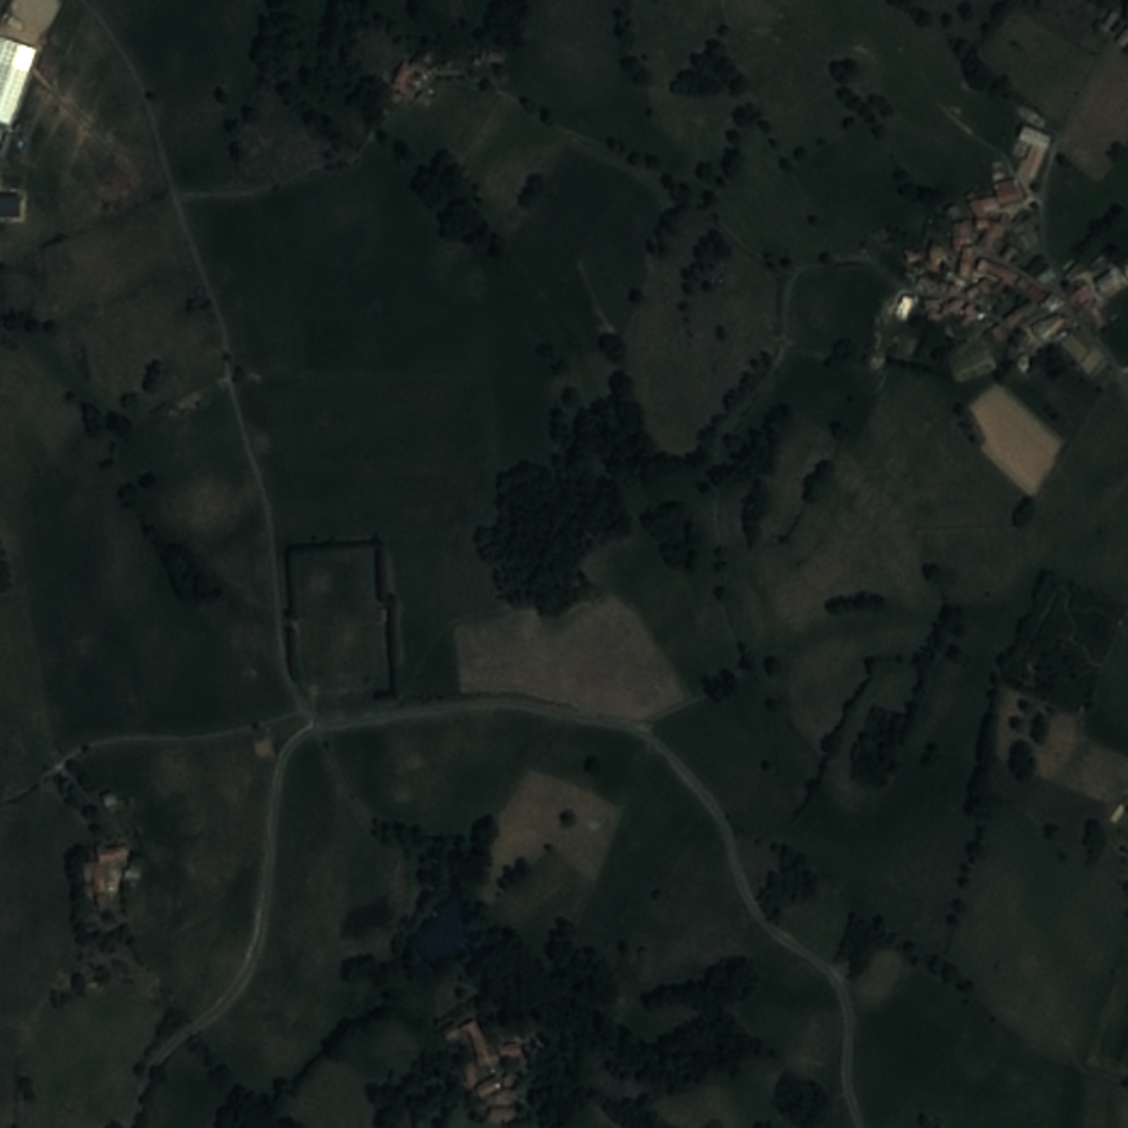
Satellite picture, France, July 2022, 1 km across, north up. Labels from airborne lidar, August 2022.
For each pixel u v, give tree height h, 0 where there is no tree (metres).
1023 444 0
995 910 0
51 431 0
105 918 12
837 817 0
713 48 15
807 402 0
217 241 0
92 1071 0
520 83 0
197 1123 0
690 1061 8
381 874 0
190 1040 8
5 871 0
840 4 0
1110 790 0
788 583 0
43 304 0
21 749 0
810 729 0
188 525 0
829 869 0
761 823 0
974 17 18
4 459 0
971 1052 0
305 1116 0
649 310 0
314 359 0
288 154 0
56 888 0
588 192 0
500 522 9
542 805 0
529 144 0
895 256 0
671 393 0
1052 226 0
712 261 12
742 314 0
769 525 0
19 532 0
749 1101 0
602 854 0
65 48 0
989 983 0
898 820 0
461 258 0
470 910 8
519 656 0
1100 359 0
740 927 0
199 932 0
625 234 0
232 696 0
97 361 0
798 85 0
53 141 0
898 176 9
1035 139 0
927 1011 0
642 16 0
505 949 35
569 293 0
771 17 0
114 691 0
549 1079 21
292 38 16
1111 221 14
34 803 0
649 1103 13
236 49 0
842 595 0
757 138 0
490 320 0
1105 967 0
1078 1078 0
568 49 0
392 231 0
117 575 0
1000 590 0
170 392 0
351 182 0
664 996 18
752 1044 15
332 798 0
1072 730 0
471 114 0
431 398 0
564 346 0
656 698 0
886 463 0
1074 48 0
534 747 0
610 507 13
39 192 0
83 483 0
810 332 0
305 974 0
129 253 0
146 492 16
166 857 0
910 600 0
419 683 0
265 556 0
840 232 0
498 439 0
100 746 0
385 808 0
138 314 0
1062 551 0
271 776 0
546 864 0
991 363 0
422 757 0
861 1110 0
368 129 7
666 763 0
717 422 13
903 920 0
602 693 0
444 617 0
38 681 0
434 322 0
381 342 0
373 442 0
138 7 0
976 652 0
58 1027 0
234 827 0
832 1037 0
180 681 0
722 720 0
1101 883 0
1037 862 0
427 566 0
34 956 0
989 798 18
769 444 18
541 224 0
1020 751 13
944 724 0
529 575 7
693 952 0
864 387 0
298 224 0
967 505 0
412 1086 12
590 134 0
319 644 0
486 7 0
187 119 0
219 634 0
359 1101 0
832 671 0
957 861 0
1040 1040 0
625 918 0
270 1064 0
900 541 0
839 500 0
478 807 0
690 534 13
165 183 0
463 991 9
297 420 0
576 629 0
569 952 14
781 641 0
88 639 0
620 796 0
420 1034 0
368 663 0
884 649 0
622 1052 14
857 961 6
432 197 21
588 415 16
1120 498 0
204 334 0
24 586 0
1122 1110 0
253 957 0
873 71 0
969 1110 0
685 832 0
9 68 0
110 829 0
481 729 0
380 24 13
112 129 0
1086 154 0
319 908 0
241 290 0
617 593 0
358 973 21
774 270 12
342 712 0
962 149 0
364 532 0
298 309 0
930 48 0
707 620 0
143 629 0
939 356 11
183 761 0
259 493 0
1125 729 0
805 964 0
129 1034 0
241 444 0
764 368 7
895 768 17
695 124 0
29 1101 8
